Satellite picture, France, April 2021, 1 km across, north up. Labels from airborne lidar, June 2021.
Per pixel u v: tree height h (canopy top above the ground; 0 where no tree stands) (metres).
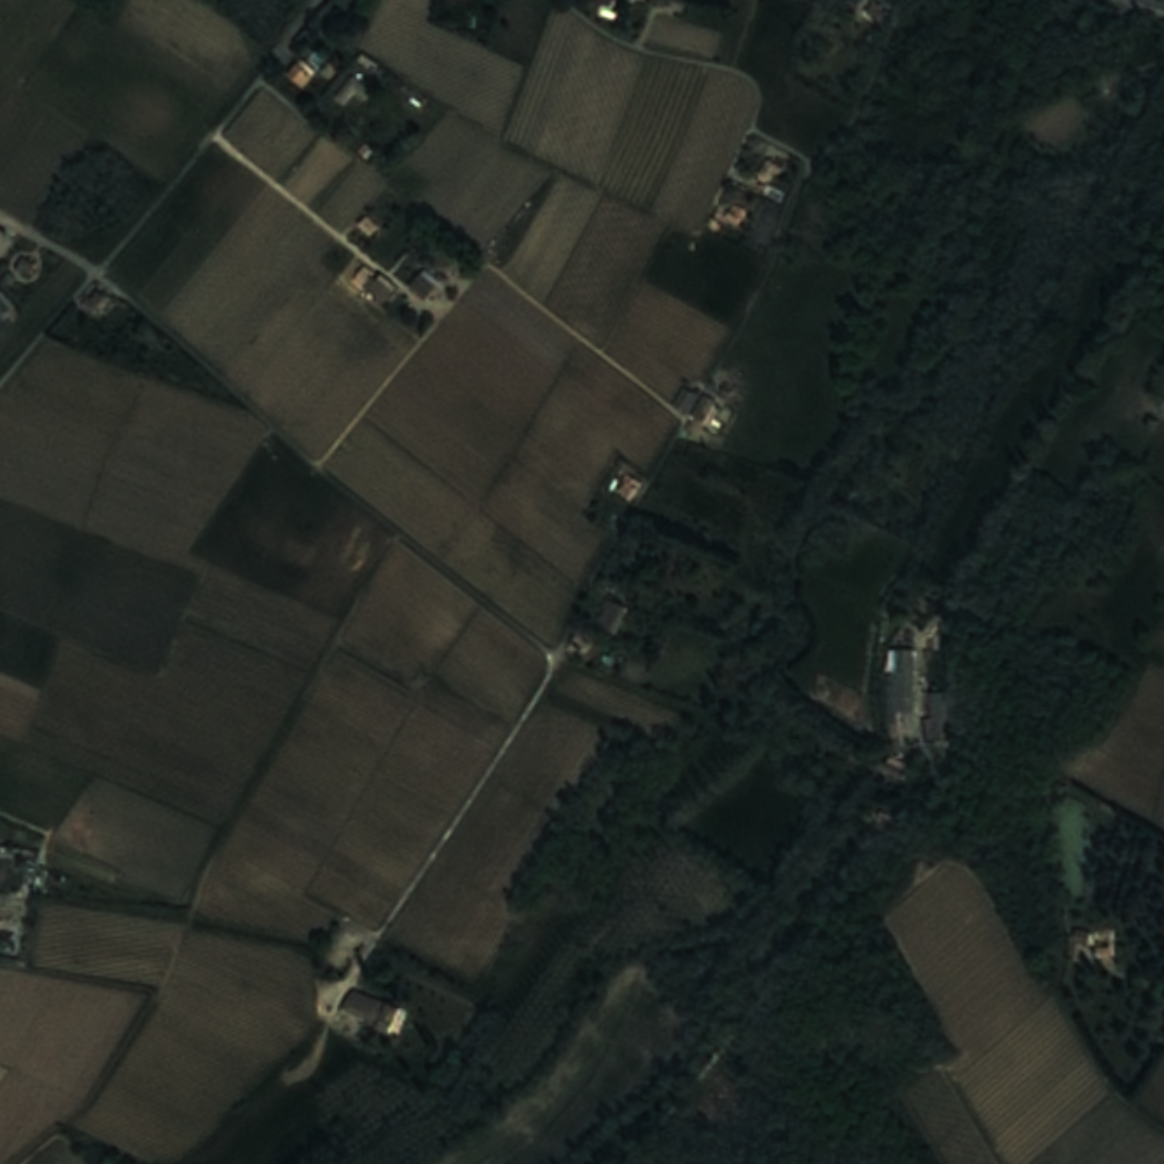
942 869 0
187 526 0
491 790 0
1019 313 17
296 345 0
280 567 0
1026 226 13
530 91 0
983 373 18
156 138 0
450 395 0
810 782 29
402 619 0
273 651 0
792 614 15
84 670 0
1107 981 23
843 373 21
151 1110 0
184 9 0
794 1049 19
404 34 0
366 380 0
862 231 15
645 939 26
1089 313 0
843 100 16
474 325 0
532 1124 0
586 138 0
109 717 0
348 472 0
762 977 24
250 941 0
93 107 0
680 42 0
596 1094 0
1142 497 13
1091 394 18
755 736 22
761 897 21
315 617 0
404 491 0
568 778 0
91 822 0
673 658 0
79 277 0
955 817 24
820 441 0
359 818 0
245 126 0
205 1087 0
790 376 0
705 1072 21
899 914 0
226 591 0
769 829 0
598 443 0
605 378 0
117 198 10
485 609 0
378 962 8
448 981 12
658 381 0
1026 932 6
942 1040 15
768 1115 15
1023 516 15
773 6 0
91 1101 0
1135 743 0
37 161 0
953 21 18
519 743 0
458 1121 18
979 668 22
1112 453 15
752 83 0
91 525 0
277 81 8
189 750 0
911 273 10
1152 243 15
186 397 0
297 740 0
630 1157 15
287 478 0
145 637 0
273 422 0
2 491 0
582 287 0
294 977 0
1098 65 18
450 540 0
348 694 0
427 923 0
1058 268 13
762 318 0
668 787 14
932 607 10
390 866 0
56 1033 0
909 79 20
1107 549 17
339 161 0
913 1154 18
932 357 16
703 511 0
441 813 0
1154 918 13
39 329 0
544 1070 11
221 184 0
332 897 0
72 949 0
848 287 0
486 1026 15
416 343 0
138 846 0
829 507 17
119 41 0
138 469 0
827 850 29
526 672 0
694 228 0
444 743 0
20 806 0
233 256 0
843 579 0
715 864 17
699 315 0
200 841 0
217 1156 0
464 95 0
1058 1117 0
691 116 0
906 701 0
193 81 0
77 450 0
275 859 0
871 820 9
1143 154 15
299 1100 0
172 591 0
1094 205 21
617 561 9
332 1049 0
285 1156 0
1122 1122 0
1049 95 18
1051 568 17
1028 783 24
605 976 9
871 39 8
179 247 0
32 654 0
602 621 0
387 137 0
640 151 0
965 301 20
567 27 0
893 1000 11
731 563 24
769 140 0
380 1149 23
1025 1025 0
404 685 0
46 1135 0
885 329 18
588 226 0
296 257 0
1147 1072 10
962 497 15
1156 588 0
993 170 15
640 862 26
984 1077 0
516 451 0
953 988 0
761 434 0
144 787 0
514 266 0
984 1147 0
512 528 0
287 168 0
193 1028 0
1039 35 23
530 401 0
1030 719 25
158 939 0
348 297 0
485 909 0
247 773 0
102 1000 0
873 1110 21
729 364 0
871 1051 15
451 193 0
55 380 0
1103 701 15
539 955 0
